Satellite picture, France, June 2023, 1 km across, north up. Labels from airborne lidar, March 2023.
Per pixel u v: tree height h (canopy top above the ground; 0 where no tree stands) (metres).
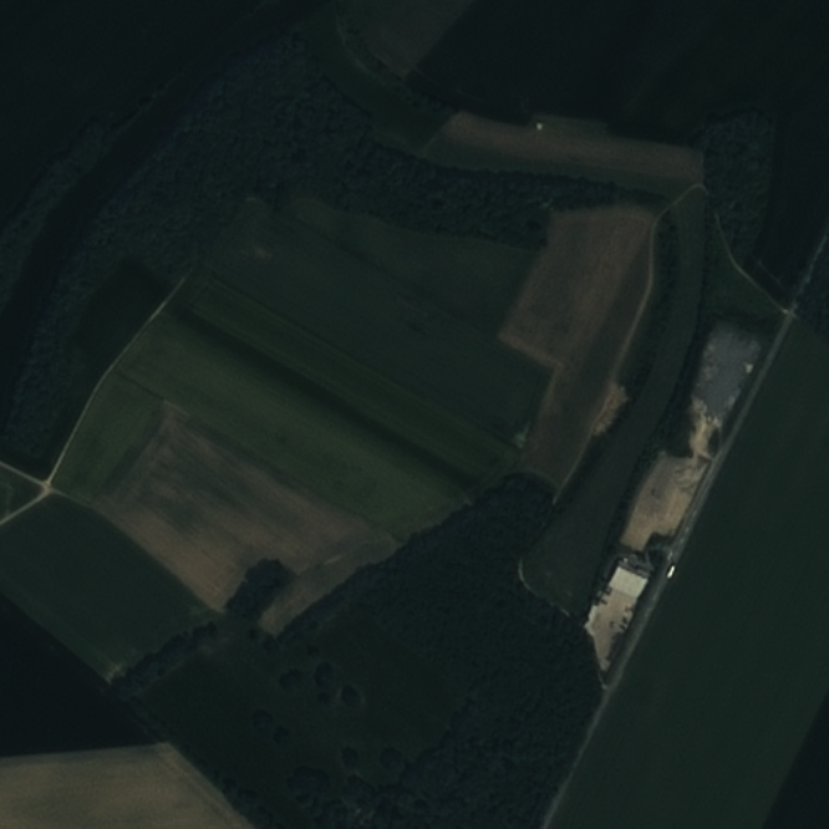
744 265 0
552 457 0
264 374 0
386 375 0
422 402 0
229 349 0
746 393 0
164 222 14
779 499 0
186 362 0
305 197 0
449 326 0
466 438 0
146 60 0
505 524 18
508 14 0
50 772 0
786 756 0
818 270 14
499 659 15
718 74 0
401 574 16
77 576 0
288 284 0
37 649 0
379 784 0
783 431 0
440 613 16
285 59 24
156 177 24
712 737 0
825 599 0
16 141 0
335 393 0
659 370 0
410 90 8
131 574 0
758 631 0
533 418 0
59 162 18
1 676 0
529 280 0
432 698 0
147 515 0
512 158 0
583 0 0
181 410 0
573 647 19
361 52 8
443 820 22
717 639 0
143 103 12
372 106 0
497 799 19
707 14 0
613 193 12
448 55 0
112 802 0
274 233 0
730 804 0
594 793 0
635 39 0
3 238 11
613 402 0
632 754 0
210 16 0
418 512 0
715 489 0
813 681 0
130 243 18
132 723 0
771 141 11
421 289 0
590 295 0
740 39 0
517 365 0
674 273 8
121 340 0
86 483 0
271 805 0
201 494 0
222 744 0
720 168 20
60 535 0
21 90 0
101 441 0
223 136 22
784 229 0
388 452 0
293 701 0
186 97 0
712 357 0
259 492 0
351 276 0
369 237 0
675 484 0
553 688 17
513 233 17
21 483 0
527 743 23
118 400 0
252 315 0
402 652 0
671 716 0
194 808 0
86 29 0
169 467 0
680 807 0
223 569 0
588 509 0
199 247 16
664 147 0
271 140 23
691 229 0
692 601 0
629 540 0
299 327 0
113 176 0
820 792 0
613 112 0
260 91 24
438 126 0
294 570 0
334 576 0
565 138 0
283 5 0
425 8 0
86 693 0
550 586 0
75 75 0
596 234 0
